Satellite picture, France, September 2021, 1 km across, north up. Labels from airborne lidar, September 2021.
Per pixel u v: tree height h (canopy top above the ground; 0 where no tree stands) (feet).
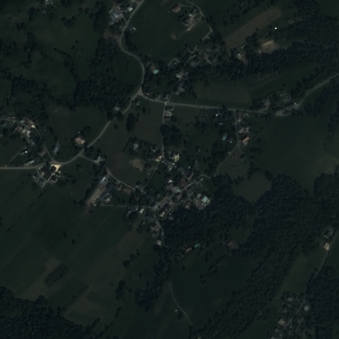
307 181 0
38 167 0
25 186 0
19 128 0
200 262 0
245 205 81
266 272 31
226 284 0
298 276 0
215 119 37
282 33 52
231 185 82
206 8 0
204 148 0
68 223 0
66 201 0
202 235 59
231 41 0
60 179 0
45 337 131
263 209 56
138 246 0
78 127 0
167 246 58
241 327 23
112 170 0
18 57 0
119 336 0
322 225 58
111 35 0
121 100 23
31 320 110
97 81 39
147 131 0
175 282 0
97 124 0
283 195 57
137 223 0
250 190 0
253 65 66
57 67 0
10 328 28
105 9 64
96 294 0
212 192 0
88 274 0
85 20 0
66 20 45
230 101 0
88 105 70
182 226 43
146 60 43
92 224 0
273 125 0
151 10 0
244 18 0
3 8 38
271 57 61
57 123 0
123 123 0
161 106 0
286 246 52
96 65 36
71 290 0
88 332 65
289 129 0
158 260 0
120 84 39
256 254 67
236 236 0
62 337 94
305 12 79
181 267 0
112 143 0
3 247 0
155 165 0
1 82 0
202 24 0
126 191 0
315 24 74
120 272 0
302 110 0
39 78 0
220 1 0
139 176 0
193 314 0
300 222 80
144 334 0
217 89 0
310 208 70
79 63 0
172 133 57
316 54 86
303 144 0
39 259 0
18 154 0
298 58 63
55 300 0
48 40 0
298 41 0
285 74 0
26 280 0
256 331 0
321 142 0
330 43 55
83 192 0
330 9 0
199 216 68
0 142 0
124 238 0
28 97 0
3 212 0
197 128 43
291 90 0
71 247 0
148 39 0
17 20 0
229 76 73
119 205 0
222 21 0
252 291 31
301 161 0
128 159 0
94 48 0
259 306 69
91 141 0
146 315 0
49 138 0
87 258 0
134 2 0
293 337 18
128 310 0
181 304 0
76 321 0
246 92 0
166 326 0
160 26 0
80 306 0
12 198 0
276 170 0
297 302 0
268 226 80
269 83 0
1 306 85
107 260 0
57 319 69
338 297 75
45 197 0
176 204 0
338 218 90
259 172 58
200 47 52
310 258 0
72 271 0
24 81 52
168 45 0
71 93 0
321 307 94
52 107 0
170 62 0
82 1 38
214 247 0
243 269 0
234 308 39
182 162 0
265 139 0
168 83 22
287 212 98
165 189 19
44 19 0
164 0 0
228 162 0
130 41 51
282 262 74
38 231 0
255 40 42
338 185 66
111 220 0
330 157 0
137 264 0
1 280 0
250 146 0
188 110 0
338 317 84
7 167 0
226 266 0
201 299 0
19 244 0
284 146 0
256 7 51
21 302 37
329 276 63
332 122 36
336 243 0
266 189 0
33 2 0
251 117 0
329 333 79
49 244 0
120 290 42
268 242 70
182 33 0
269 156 0
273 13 0
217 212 87
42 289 0
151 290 71
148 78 24
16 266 0
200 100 0
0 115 20
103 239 0
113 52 53
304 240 62
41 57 0
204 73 56
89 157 36
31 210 0
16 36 0
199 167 0
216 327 62
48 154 0
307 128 0
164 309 0
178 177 23
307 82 71
